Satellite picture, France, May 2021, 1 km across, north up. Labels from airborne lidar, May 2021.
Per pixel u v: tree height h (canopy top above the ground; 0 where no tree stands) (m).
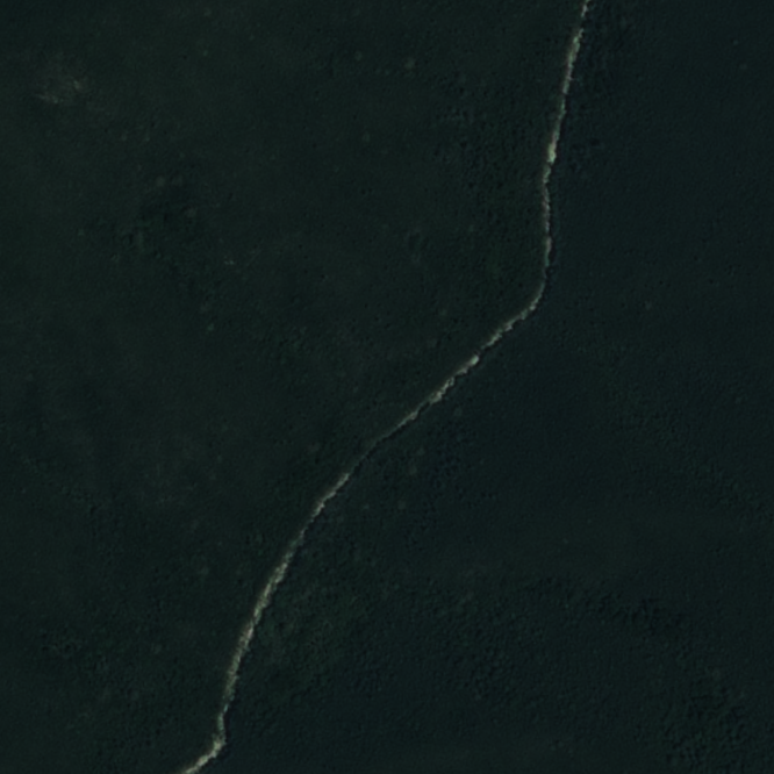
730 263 6
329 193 6
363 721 8
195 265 9
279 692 6
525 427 8
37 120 7
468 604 17
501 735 7
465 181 7
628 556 7
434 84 16
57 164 6
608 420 9
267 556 11
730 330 7
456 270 8
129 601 15
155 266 8
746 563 9
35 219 5
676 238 6
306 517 13
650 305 8
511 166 12
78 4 6
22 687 10
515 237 10
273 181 7
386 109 10
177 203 12
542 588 17
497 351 7
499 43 7
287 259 7
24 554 8
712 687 10
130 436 7
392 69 13
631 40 9
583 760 6
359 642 10
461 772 7
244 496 8
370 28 7
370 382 10
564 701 10
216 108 6
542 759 6
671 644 15
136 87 6
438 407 7
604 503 8
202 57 6
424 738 10
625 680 7
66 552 7
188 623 6
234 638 13
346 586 7
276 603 13
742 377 7
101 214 8
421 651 9
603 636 10
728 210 8
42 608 9
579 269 6
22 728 8
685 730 15
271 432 9
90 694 9
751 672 8
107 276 8
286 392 8
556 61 6
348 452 8
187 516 5
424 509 6
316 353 11
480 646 9
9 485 8
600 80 15
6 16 6
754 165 7
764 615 8
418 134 9
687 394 8
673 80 7
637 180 7
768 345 6
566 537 6
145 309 7
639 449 9
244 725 7
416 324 6
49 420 7
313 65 15
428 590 13
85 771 8
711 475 12
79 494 8
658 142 8
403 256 8
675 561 8
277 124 9
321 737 7
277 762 6
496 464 6
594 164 9
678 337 7
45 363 6
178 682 8
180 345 7
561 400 7
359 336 6
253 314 8
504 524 5
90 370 8
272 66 6
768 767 10
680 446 12
